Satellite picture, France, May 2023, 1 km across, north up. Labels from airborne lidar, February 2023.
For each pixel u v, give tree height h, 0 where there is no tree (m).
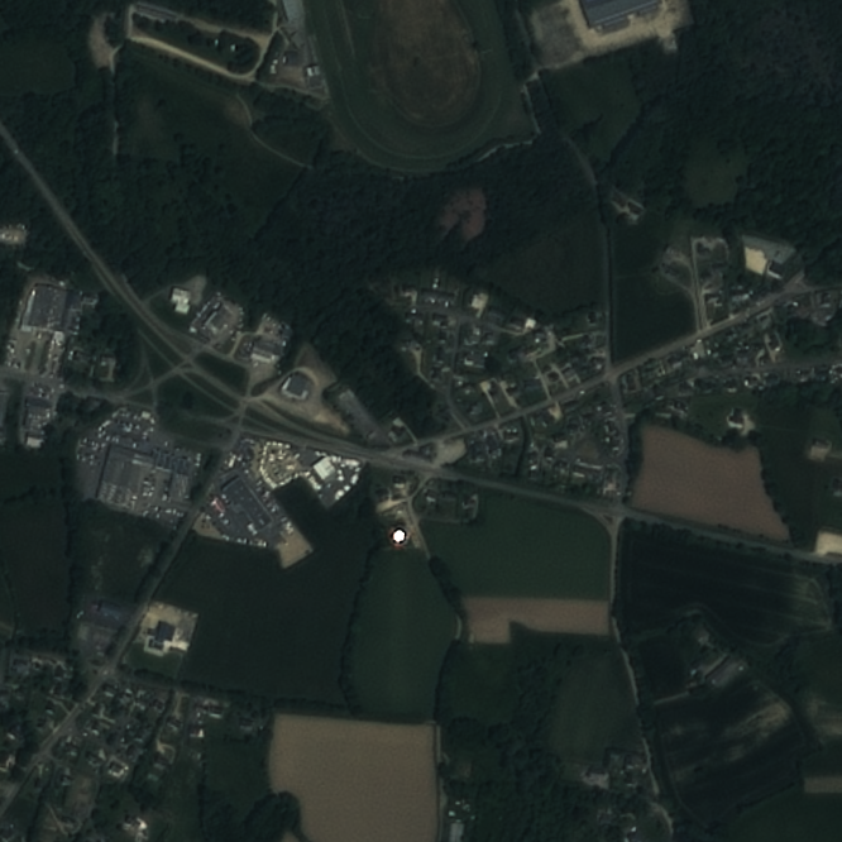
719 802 0
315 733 0
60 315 0
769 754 0
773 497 12
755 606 0
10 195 12
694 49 13
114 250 19
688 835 18
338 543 0
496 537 0
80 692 14
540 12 0
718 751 0
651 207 10
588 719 0
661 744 0
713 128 13
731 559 0
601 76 0
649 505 0
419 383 11
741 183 8
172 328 0
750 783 0
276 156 0
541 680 10
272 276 10
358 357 8
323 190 11
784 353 0
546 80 12
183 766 0
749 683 0
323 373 0
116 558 0
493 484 0
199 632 0
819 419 0
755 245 0
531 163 11
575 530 0
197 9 10
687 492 0
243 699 14
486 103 0
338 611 0
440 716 17
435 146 0
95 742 0
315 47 0
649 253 0
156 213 6
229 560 0
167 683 12
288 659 0
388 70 0
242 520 0
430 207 7
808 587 0
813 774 0
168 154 0
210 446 0
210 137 0
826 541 0
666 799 14
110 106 12
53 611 0
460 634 0
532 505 0
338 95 0
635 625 0
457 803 0
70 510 15
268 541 0
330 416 0
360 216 8
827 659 0
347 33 0
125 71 19
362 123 0
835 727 0
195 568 0
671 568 0
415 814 0
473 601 0
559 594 0
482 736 16
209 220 13
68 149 7
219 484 0
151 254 11
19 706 0
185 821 0
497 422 0
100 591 0
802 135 11
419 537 0
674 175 10
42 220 15
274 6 11
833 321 12
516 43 8
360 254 13
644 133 20
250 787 0
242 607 0
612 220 14
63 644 7
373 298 11
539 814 8
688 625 13
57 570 0
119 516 8
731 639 0
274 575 0
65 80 0
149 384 0
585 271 0
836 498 0
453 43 0
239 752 0
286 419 0
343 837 0
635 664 14
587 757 0
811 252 14
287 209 16
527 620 0
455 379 0
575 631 0
